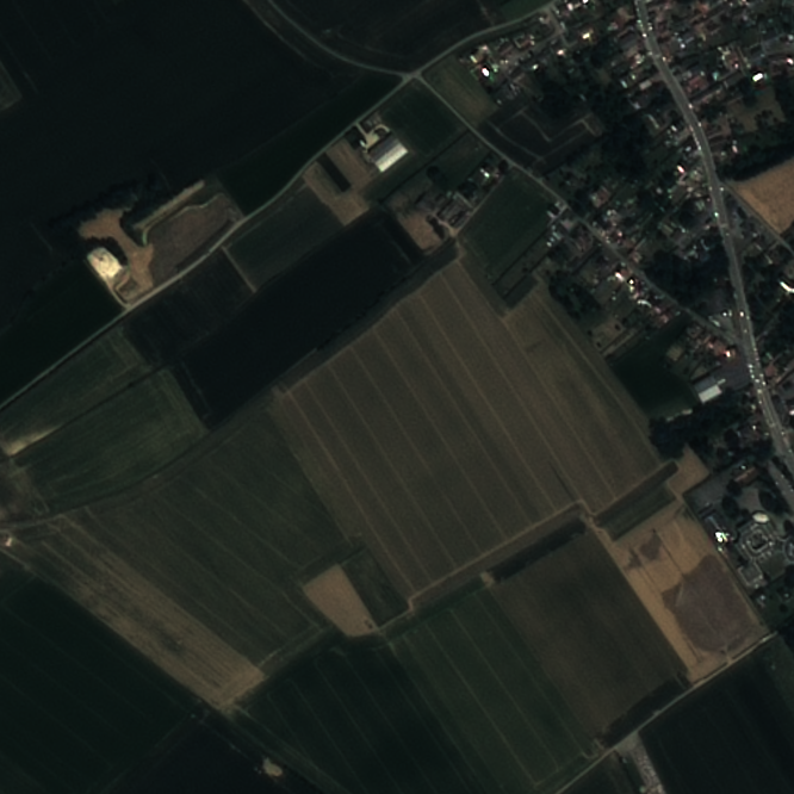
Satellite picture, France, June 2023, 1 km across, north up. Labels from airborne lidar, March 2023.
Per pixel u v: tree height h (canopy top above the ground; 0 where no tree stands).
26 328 0
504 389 0
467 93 0
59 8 0
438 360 0
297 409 0
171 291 0
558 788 0
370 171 0
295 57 0
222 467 0
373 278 0
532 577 0
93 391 0
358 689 0
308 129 0
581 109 0
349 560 0
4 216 0
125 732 0
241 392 0
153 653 0
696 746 0
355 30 0
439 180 14
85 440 0
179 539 0
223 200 0
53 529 0
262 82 0
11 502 0
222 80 0
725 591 0
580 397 0
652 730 0
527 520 0
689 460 0
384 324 0
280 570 0
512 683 0
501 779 0
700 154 0
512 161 0
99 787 0
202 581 0
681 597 0
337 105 0
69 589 0
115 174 0
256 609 0
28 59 0
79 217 15
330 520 0
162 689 0
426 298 0
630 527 0
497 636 0
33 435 0
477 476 0
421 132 0
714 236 13
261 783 0
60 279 0
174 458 0
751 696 0
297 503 0
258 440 0
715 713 0
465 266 0
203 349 0
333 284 0
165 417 0
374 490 0
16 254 0
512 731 0
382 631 0
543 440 0
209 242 0
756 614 0
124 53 0
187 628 0
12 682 0
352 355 0
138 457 0
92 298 0
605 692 0
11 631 0
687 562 0
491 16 0
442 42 0
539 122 0
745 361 0
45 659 0
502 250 0
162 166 0
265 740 0
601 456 0
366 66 0
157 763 0
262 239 0
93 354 0
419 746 0
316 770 0
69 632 0
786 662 0
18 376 0
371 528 0
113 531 0
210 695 0
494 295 0
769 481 17
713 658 0
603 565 0
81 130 0
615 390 0
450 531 0
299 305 0
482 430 0
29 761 0
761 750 0
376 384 0
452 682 0
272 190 0
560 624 0
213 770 0
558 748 0
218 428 0
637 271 0
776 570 0
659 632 0
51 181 0
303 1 0
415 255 0
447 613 0
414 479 0
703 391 0
